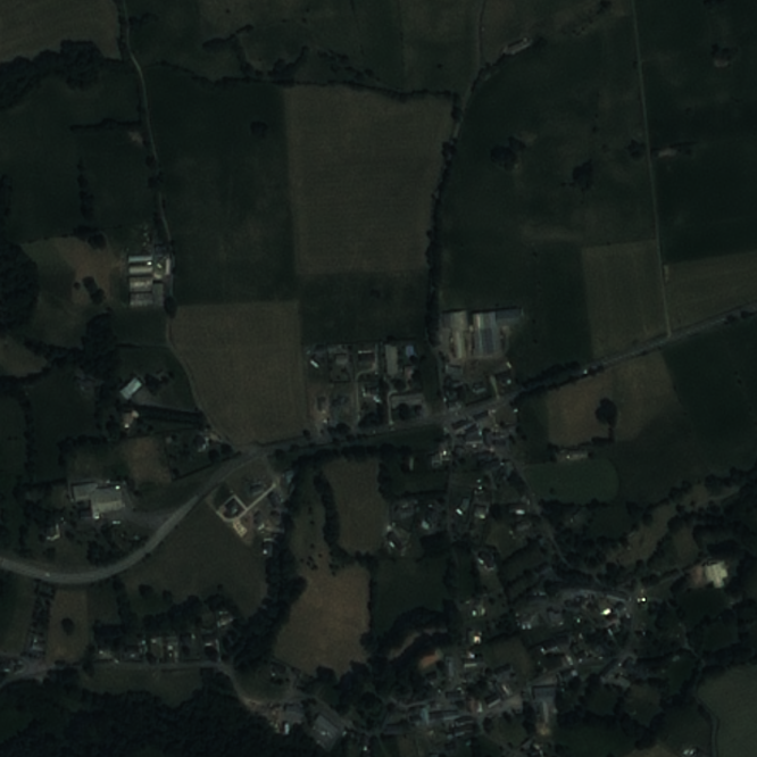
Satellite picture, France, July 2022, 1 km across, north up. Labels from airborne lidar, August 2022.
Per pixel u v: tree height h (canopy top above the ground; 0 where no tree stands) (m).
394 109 0
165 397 0
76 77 9
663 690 10
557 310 0
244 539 0
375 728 18
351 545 0
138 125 9
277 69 12
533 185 0
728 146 0
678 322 0
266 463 0
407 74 0
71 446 9
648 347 0
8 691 18
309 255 0
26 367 0
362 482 0
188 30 0
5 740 0
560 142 0
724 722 0
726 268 0
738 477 16
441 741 0
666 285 0
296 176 0
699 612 0
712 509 13
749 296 0
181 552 0
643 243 0
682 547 0
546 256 0
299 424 0
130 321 0
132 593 0
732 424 0
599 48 0
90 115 0
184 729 23
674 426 0
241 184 0
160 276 0
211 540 0
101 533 9
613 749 0
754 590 0
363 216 0
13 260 14
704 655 17
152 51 0
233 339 0
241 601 0
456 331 0
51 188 0
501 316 0
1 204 6
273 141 0
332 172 0
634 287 0
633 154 11
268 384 0
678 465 0
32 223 0
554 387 10
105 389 10
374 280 0
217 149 0
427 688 17
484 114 0
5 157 0
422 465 0
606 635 5
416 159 0
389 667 27
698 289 0
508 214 0
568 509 12
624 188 0
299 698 0
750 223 0
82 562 0
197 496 0
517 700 0
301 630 0
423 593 0
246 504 0
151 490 0
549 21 0
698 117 0
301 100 0
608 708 0
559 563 12
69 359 9
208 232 0
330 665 0
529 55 6
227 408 0
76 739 33
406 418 13
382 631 0
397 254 0
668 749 0
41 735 15
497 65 7
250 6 0
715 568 0
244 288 0
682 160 0
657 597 0
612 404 11
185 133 0
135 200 0
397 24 0
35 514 18
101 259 0
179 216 0
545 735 0
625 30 0
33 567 0
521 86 0
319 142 0
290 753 12
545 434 0
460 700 9
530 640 0
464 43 0
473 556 7
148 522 0
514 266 0
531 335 0
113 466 0
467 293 0
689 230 0
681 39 0
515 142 12
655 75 0
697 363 0
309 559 6
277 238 0
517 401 12
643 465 0
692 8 0
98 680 0
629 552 0
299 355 0
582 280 0
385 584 0
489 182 0
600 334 0
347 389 0
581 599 0
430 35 0
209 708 15
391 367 0
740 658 17
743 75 0
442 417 0
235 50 13
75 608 0
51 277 0
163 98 0
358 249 0
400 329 0
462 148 0
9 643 0
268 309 0
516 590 0
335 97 0
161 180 9
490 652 0
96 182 0
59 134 0
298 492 12
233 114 0
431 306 16
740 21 0
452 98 9
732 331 0
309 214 0
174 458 6
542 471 0
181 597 0
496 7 0
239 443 0
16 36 0
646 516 17
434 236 11
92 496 0
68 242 0
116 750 14
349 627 0
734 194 0
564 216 0
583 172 13
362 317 0
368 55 0
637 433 0
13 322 15
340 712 14
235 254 0
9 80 15
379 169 0
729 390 0
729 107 0
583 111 0
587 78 0
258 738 12
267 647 14
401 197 0
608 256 0
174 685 0
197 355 0
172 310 16
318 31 0
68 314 0
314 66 0
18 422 0
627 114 0
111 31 0
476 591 8
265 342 0
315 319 0
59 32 0
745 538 22
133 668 0
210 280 0
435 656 0
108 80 0
